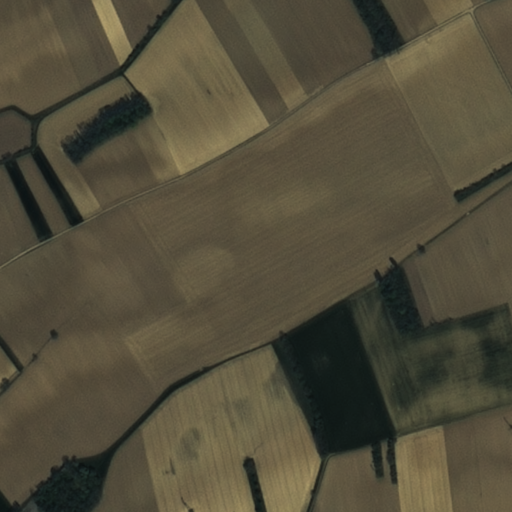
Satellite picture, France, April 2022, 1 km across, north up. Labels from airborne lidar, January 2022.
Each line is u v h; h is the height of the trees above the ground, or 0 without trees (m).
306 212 0
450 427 0
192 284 0
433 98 0
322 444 17
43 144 0
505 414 0
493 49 0
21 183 0
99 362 0
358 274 0
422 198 0
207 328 0
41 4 0
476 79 0
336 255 0
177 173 0
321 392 0
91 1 0
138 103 26
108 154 0
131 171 0
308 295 0
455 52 0
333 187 0
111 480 0
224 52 0
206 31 0
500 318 0
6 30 0
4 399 0
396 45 23
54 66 0
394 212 0
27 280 0
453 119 0
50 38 0
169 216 0
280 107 0
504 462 0
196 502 0
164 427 0
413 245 0
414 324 24
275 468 0
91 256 0
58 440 0
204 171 0
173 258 0
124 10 0
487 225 0
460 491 0
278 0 0
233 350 0
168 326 0
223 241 0
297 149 0
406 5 0
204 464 0
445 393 0
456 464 0
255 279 0
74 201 0
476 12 0
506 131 0
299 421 0
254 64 0
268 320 0
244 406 0
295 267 0
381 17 28
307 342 0
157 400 0
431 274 0
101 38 0
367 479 0
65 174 0
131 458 0
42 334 0
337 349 0
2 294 0
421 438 0
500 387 0
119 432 0
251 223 0
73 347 0
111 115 24
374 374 0
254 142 0
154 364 0
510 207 0
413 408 0
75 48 0
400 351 0
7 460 0
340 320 0
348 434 0
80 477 20
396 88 0
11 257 0
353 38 0
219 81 0
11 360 0
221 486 0
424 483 0
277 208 0
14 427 0
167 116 0
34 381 0
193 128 0
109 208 0
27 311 0
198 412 0
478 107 0
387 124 0
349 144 0
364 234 0
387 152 0
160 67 0
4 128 0
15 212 0
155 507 0
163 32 0
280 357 0
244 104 0
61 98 0
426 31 0
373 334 0
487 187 0
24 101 0
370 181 0
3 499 0
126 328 0
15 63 0
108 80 0
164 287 0
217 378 0
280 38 0
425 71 0
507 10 0
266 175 0
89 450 0
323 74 0
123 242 0
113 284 0
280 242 0
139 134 0
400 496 0
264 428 0
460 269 0
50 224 0
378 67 0
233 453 0
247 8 0
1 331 0
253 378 0
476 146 0
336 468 0
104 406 0
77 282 0
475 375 0
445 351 0
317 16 0
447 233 0
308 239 0
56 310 0
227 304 0
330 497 0
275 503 0
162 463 0
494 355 0
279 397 0
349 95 0
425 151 0
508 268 0
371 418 0
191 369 0
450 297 0
